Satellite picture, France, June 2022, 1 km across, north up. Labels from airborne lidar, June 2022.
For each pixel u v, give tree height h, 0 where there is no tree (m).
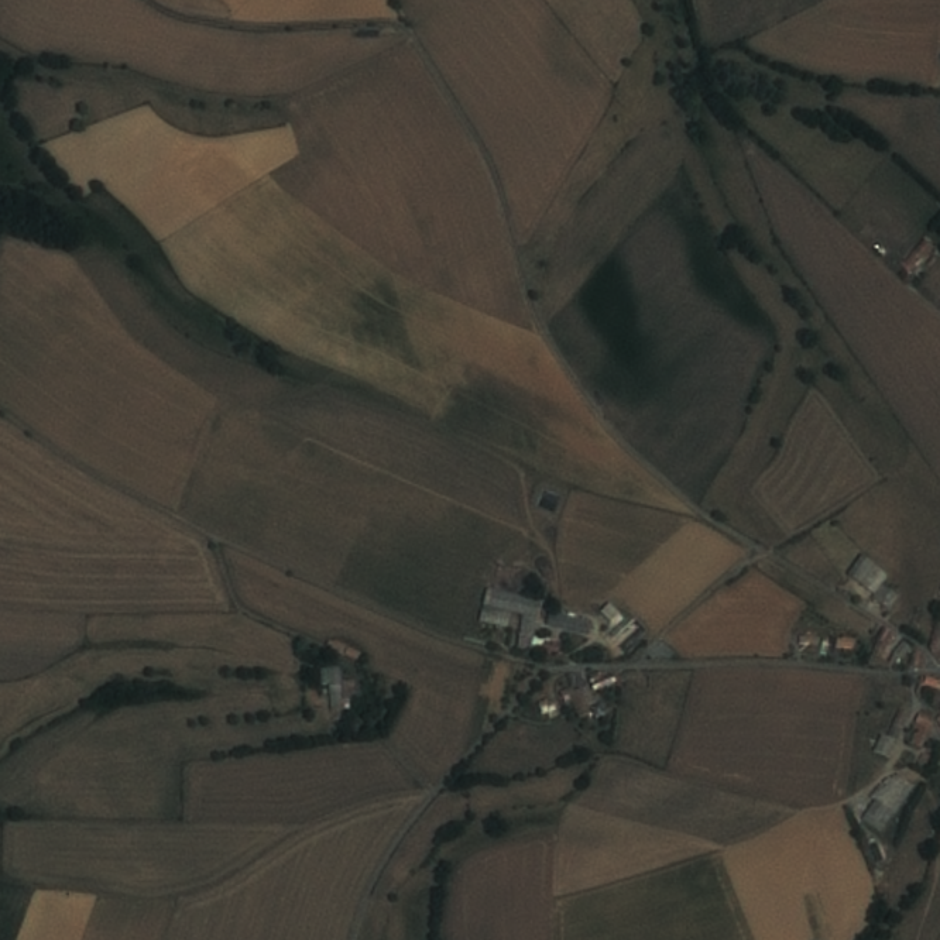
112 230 0
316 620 0
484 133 0
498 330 0
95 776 0
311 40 0
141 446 0
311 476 0
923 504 0
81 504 0
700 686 0
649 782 0
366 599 0
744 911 0
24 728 0
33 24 0
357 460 0
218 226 0
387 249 0
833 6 0
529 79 0
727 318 0
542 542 0
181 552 0
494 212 0
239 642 0
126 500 0
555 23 0
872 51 0
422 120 0
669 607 0
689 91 30
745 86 27
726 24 0
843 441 0
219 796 0
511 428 0
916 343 0
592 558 0
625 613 0
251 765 0
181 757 0
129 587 0
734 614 0
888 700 0
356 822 0
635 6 0
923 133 0
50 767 0
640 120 0
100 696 13
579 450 0
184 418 0
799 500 0
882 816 0
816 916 0
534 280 0
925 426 0
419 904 0
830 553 0
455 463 0
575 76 0
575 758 11
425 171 0
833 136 19
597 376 0
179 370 0
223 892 0
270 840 0
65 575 0
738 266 0
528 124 0
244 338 32
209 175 0
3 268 0
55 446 0
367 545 0
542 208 0
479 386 0
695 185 0
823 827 0
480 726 0
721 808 0
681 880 0
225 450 0
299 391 0
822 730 0
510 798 0
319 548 0
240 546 0
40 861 0
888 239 0
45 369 0
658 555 0
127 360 0
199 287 0
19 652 0
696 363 0
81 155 0
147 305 0
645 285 0
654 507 0
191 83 0
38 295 0
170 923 0
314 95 0
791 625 0
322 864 0
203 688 0
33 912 0
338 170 0
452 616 0
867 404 0
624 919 0
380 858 0
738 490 0
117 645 0
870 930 10
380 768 0
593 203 0
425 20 0
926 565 0
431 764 0
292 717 0
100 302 0
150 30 0
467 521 0
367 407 0
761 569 0
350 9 0
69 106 0
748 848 0
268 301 0
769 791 0
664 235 0
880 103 0
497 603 0
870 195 0
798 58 0
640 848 0
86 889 0
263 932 0
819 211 0
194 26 0
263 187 0
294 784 0
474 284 0
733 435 0
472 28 0
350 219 0
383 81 0
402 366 0
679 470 0
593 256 0
